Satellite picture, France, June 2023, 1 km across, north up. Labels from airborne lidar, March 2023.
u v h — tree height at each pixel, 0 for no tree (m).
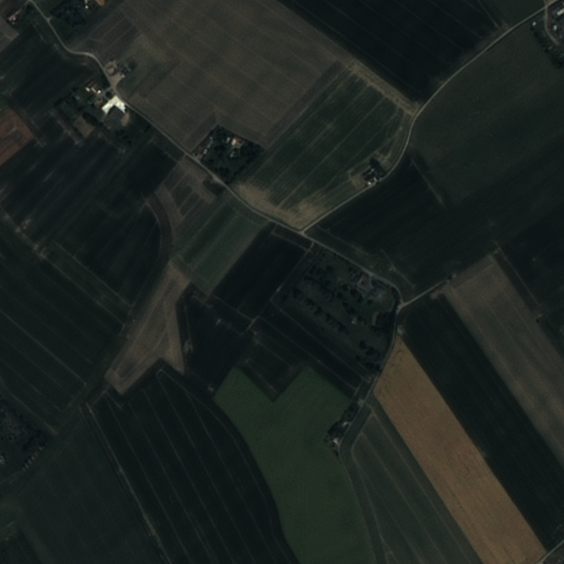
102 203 0
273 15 0
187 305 0
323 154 0
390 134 0
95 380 0
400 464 0
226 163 0
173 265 0
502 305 0
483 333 0
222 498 0
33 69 0
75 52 0
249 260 0
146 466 0
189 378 0
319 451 0
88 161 0
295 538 0
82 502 0
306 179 0
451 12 0
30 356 0
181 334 0
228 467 0
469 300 0
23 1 0
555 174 0
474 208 0
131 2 0
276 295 0
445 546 0
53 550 0
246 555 0
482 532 0
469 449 0
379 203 0
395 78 0
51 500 0
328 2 0
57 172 0
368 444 0
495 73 0
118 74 0
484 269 0
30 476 0
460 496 0
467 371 0
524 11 0
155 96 0
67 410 0
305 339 0
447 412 0
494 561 0
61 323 0
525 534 0
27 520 0
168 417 0
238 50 0
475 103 0
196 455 0
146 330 0
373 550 0
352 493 0
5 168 0
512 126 0
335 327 12
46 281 0
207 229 0
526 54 0
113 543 0
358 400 0
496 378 0
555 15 0
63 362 0
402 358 0
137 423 0
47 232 0
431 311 0
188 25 0
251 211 0
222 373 0
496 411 0
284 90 0
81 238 0
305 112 0
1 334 0
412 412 0
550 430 0
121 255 0
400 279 0
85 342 0
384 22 0
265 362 0
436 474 0
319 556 0
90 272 0
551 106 0
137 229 0
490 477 0
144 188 0
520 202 0
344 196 0
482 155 0
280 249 0
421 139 0
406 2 0
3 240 0
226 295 0
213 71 0
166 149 0
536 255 0
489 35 0
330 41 0
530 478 0
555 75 0
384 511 0
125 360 0
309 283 13
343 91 0
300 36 0
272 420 0
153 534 0
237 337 0
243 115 0
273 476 0
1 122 0
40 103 0
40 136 0
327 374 0
